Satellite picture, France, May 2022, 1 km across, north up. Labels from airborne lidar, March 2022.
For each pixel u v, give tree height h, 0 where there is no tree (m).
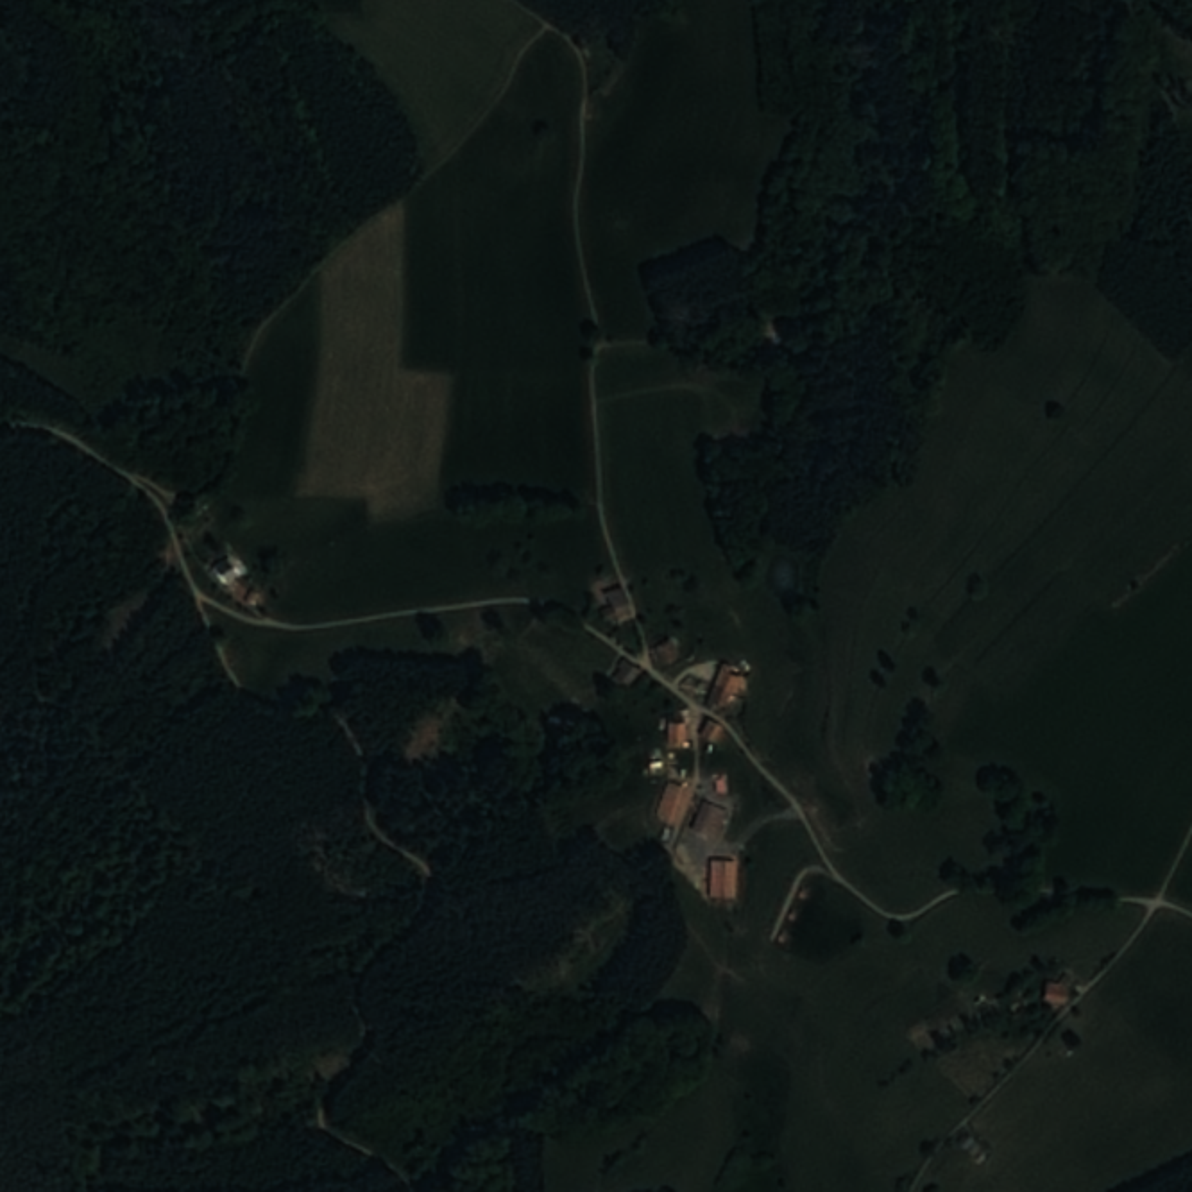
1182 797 0
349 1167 17
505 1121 32
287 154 10
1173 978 0
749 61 0
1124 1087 0
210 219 28
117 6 8
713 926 0
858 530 0
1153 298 15
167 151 28
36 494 16
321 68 15
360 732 23
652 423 0
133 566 16
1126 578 0
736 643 0
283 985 19
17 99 16
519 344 0
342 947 9
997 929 0
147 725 14
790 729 0
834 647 0
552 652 0
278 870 22
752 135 0
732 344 21
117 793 21
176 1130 31
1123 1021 0
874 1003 0
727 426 0
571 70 0
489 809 8
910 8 23
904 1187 6
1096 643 0
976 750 0
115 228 17
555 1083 9
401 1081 19
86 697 18
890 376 32
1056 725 0
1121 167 31
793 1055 0
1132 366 0
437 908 24
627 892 31
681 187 0
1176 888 0
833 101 17
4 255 16
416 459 0
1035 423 0
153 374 0
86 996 17
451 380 0
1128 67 30
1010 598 0
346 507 0
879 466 30
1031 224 28
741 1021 0
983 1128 0
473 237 0
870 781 0
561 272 0
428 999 27
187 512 19
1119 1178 0
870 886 0
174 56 23
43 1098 28
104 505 13
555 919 28
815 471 32
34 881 17
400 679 18
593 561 0
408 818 39
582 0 24
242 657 0
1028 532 0
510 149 0
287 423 0
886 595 0
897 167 28
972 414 0
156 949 13
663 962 27
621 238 0
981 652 0
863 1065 0
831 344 30
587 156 0
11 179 15
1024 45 11
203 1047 22
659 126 0
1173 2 10
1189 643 0
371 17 0
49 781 24
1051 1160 0
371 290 0
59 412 20
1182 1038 0
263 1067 26
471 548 0
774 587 0
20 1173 22
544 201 0
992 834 0
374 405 0
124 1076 22
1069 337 0
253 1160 18
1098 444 0
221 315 6
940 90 28
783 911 0
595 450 0
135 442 17
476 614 0
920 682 0
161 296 17
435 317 0
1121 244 16
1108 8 16
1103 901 16
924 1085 0
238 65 20
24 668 17
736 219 0
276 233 25
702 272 28
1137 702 0
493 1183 34
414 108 0
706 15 0
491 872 21
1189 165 6
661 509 0
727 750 0
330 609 0
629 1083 23
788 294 7
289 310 0
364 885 8
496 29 0
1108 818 0
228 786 19
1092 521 0
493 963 24
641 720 0
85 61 6
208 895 15
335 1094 18
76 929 29
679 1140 0
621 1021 9
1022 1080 0
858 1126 0
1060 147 31
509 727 38
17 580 14
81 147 8
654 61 0
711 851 0
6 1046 25
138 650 8
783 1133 0
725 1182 6
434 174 0
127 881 9
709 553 0
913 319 27
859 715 0
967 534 0
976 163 24
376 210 14
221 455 15
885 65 30
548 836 20
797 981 0
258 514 0
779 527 29
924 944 0
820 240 8
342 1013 20
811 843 0
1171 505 0
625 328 0
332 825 22
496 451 0
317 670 0
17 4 20
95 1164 16
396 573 0
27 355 0
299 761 15
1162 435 0
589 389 0
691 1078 25
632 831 0
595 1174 0
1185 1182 15
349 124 13
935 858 0
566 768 35
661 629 0
